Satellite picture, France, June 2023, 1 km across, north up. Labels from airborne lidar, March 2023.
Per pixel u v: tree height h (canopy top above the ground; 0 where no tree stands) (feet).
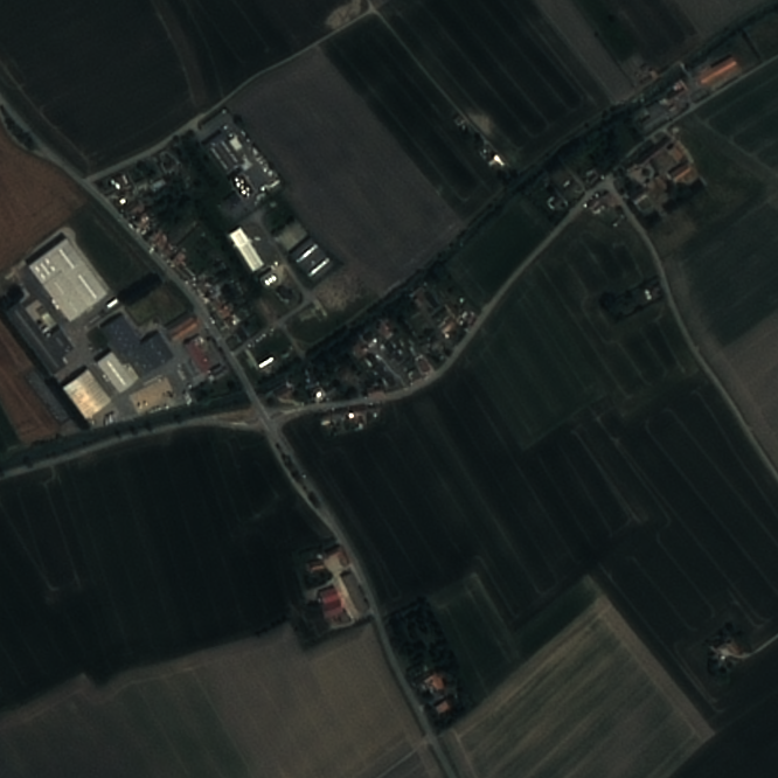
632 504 0
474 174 0
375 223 0
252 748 0
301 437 0
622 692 0
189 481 0
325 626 0
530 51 0
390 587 0
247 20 0
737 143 0
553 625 0
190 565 0
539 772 0
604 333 0
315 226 0
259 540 0
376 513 0
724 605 0
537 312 0
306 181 0
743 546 0
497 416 0
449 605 0
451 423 0
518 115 0
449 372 0
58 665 0
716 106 0
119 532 0
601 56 0
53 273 0
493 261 0
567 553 0
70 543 0
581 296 0
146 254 0
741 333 0
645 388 0
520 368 0
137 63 0
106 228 0
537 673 0
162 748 0
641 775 0
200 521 0
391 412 0
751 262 0
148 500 0
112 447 0
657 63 0
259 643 0
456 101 0
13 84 0
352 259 0
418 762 0
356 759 0
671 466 0
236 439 0
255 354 0
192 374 0
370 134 0
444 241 0
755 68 0
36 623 0
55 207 0
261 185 0
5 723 0
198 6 0
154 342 0
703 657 0
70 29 0
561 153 24
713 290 0
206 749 0
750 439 0
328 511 0
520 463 0
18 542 0
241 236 0
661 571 0
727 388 0
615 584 0
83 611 0
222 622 0
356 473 0
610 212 0
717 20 0
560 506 0
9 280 0
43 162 0
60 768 0
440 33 0
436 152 0
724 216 0
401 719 0
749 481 0
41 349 0
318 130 0
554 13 0
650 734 0
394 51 0
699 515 0
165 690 0
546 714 0
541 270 0
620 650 0
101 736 0
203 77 0
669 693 0
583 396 0
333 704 0
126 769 0
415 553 0
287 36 0
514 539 0
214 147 0
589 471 0
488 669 0
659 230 0
